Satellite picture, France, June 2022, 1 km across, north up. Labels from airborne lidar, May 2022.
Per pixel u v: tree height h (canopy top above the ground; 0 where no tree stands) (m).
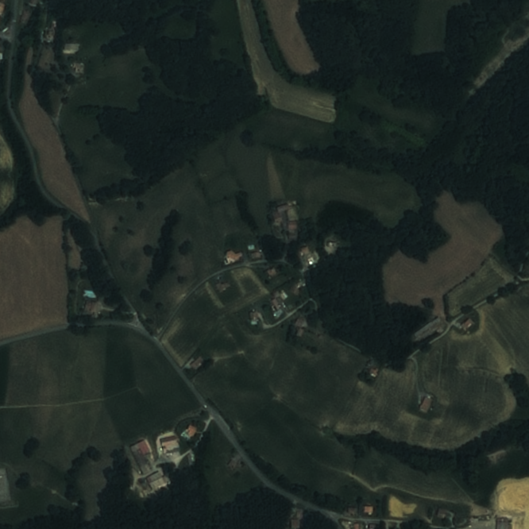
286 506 25
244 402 0
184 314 0
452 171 24
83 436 0
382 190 0
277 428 0
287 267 6
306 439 0
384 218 0
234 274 0
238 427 0
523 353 0
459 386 0
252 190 0
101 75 0
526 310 0
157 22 20
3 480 0
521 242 17
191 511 23
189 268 0
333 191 0
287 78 14
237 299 0
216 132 31
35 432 0
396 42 29
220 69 27
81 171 11
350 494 0
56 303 0
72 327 16
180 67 26
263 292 0
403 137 6
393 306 12
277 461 0
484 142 20
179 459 0
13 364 0
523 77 24
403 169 20
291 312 0
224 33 0
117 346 0
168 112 27
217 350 0
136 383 0
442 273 0
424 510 0
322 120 0
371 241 27
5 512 0
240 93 26
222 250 0
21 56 9
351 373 0
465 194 24
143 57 0
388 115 0
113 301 20
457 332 0
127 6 31
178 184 0
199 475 10
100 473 0
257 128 0
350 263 26
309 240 10
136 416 0
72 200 0
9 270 0
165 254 20
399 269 0
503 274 0
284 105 0
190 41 17
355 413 0
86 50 0
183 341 0
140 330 0
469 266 0
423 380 0
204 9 15
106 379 0
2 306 0
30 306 0
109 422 0
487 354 0
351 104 0
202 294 0
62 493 0
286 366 0
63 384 0
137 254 0
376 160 6
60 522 13
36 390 0
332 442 0
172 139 26
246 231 0
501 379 0
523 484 0
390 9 12
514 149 15
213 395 0
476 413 0
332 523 22
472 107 21
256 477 0
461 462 19
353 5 15
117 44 21
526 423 15
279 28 0
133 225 0
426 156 13
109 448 0
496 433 9
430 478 0
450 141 12
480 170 25
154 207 0
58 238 0
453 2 0
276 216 0
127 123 28
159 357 0
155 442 0
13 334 0
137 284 0
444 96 24
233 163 0
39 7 16
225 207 0
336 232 17
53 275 0
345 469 0
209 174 0
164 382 0
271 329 0
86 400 0
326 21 28
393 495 0
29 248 0
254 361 0
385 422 0
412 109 0
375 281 21
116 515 18
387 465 0
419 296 0
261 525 26
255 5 13
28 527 20
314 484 0
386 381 0
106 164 0
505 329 0
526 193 17
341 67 27
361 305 27
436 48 0
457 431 0
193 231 0
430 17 0
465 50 26
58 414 0
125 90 0
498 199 22
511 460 0
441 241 7
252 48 0
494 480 0
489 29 35
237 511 18
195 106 18
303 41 0
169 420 0
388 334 28
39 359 0
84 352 0
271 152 0
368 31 21
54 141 0
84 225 21
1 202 0
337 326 10
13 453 0
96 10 26
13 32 0
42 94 24
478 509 0
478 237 0
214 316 0
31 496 0
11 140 9
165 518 24
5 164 0
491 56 0
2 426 0
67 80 15
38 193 9
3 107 9
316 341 0
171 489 21
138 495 0
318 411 0
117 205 0
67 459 0
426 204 17
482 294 0
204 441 16
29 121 0
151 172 14
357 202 0
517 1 27
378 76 20
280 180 0
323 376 0
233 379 0
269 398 0
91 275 22
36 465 0
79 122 0
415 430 0
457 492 0
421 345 9
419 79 23
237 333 0
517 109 27
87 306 0
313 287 20
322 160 19
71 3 21
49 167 0
